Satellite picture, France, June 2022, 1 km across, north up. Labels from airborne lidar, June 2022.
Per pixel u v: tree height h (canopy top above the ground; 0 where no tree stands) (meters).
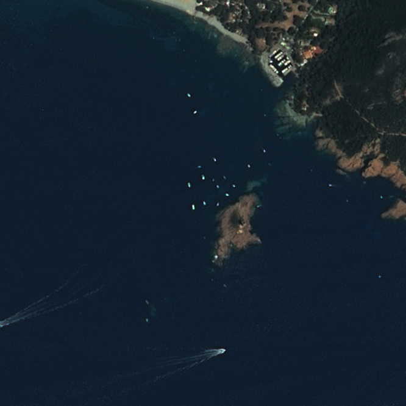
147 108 0
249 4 14
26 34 0
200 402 0
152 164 0
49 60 0
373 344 0
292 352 0
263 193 0
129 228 0
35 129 0
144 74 0
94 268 0
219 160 0
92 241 0
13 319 0
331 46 10
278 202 0
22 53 0
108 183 0
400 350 0
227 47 0
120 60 0
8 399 0
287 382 0
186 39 0
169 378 0
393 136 8
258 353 0
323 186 0
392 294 0
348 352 0
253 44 18
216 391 0
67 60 0
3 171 0
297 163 0
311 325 0
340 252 0
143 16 0
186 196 0
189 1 0
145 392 0
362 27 6
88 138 0
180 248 0
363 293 0
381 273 0
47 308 0
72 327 0
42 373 0
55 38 0
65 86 0
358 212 0
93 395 0
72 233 0
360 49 7
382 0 8
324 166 0
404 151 11
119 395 0
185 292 0
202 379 0
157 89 0
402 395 0
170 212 0
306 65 10
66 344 0
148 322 0
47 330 0
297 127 0
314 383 0
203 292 0
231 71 0
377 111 6
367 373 0
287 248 0
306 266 0
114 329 0
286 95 0
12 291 0
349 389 0
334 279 0
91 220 0
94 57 0
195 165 0
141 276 0
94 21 0
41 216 0
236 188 0
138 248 0
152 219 0
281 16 18
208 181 0
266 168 0
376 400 0
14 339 0
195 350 0
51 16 0
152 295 0
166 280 0
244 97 0
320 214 0
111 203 0
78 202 0
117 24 0
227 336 0
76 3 0
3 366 0
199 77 0
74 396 0
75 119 0
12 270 0
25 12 0
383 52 10
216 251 0
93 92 0
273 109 0
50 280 0
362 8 6
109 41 0
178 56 0
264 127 0
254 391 0
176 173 0
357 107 7
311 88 15
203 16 0
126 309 0
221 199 0
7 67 0
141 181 0
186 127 0
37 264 0
